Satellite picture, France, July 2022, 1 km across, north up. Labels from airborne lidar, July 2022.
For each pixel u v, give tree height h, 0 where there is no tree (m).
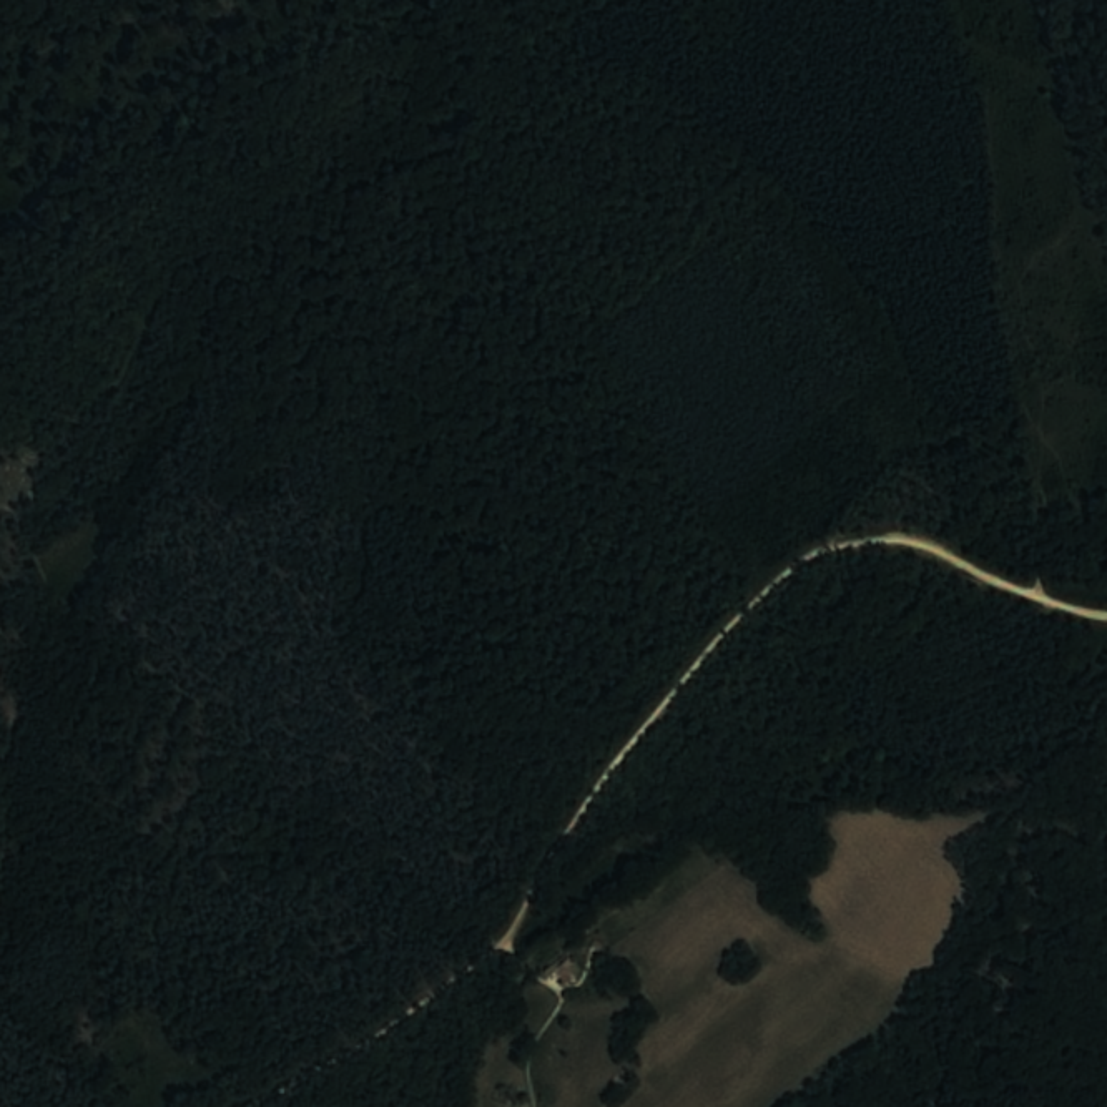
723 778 19
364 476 19
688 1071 0
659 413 9
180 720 18
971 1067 22
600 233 14
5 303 17
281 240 27
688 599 17
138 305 14
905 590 17
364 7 21
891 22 18
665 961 0
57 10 21
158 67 14
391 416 25
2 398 15
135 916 15
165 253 16
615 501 22
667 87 17
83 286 15
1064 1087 25
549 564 18
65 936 12
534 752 16
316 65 17
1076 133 25
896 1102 20
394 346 19
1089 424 8
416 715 24
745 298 10
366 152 23
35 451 9
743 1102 0
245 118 23
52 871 10
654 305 10
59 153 22
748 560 7
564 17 17
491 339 22
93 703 19
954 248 19
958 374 16
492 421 24
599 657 25
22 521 11
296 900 24
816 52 19
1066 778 18
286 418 22
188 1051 22
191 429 19
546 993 0
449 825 23
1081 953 24
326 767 23
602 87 20
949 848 12
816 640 16
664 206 18
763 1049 0
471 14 23
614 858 0
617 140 20
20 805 14
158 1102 0
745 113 18
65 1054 11
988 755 19
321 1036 20
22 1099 21
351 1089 15
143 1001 20
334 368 22
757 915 0
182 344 25
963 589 21
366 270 10
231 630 22
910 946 0
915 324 17
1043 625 22
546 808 17
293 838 11
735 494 7
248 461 22
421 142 24
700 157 21
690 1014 0
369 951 17
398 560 28
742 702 17
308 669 18
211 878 18
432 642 15
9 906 10
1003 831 20
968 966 27
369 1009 17
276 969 22
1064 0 28
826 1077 22
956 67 12
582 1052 0
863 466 8
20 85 20
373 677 23
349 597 13
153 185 22
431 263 21
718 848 15
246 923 24
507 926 14
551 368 21
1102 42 27
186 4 25
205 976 14
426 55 27
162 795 19
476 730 19
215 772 18
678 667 12
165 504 16
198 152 21
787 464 8
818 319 15
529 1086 0
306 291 27
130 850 18
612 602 22
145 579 23
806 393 15
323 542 16
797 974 0
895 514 17
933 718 20
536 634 21
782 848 24
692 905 0
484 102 21
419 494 23
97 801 10
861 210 17
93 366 10
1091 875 22
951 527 20
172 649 21
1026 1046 24
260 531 18
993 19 12
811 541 16
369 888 20
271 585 16
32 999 13
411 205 25
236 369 23
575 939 16
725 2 9
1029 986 25
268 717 20
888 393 6
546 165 19
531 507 19
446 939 18
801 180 19
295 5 26
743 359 10
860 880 0
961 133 18
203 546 20
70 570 0
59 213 31
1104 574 24
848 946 0
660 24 13
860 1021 0
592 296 17
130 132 27
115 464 21
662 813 20
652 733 13
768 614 12
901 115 16
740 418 11
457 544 28
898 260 16
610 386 20
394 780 23
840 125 19
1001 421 26
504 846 19
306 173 14
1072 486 6
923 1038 17
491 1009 15
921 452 13
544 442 23
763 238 11
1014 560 12
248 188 19
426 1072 9
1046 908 23
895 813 19
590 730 17
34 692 13
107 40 25
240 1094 17
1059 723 18
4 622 20
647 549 21
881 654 16
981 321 17
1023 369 6
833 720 20
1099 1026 23
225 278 27
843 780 20
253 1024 20
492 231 19
